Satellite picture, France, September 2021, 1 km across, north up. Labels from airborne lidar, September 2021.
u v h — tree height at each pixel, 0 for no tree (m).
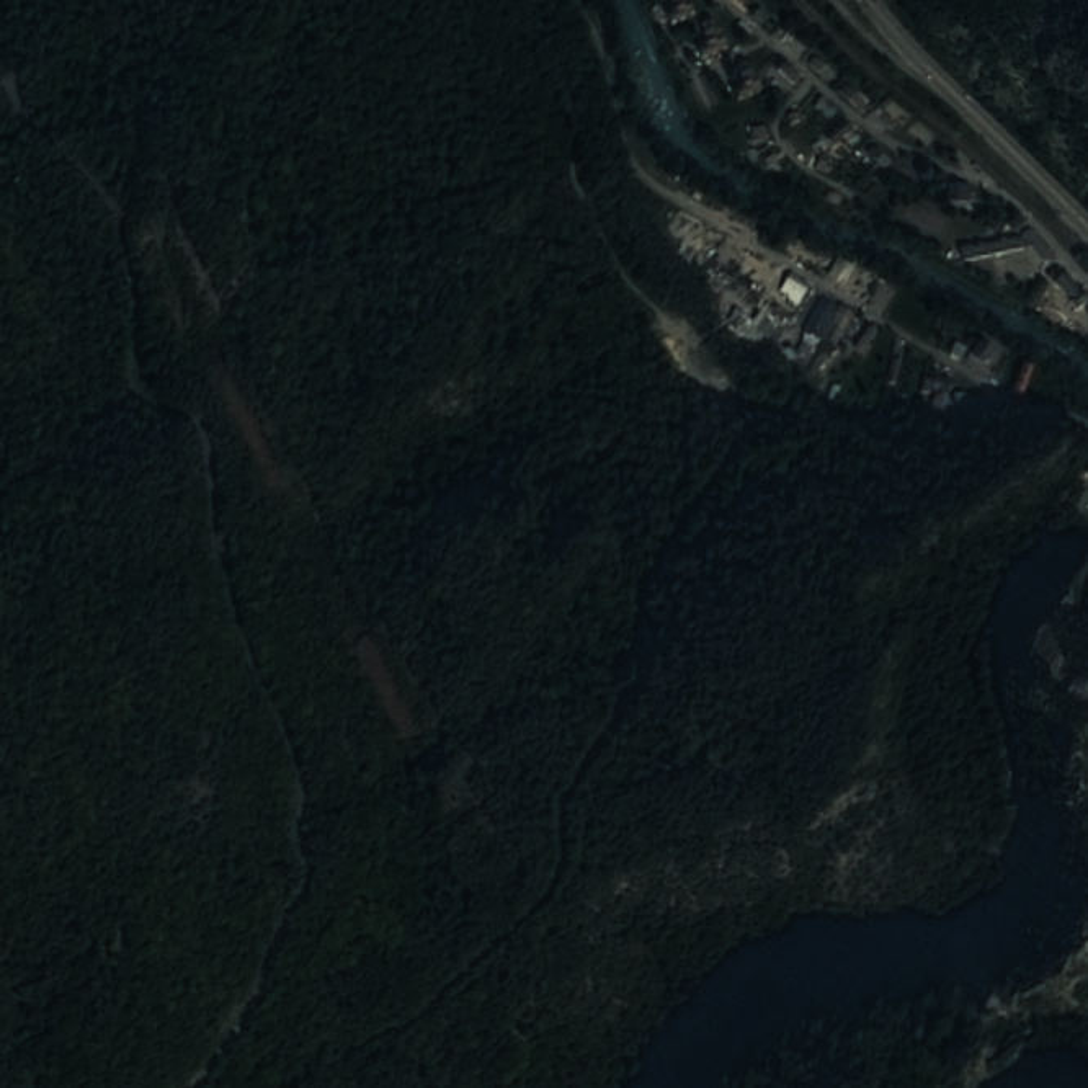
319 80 22
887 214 14
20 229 23
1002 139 0
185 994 17
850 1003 12
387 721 7
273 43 16
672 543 9
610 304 27
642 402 23
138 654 11
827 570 13
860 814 14
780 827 13
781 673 16
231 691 18
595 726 18
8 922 16
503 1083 29
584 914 15
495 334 24
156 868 19
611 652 24
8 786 17
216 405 14
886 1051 9
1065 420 16
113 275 20
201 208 13
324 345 28
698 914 16
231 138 24
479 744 27
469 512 12
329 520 24
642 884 14
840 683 10
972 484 12
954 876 16
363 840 18
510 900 16
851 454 28
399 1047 24
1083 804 6
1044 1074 24
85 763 15
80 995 18
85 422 20
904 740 9
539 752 16
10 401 22
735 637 14
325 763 18
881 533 13
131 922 15
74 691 18
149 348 29
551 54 20
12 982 22
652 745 24
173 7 30
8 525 23
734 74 20
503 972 23
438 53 27
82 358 26
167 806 10
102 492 19
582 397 22
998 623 16
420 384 18
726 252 0
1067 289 0
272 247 25
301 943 25
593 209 18
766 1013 22
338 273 15
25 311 22
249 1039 20
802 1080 16
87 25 28
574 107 16
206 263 15
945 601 27
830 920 10
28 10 27
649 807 16
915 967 17
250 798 16
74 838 24
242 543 20
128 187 13
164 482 12
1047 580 13
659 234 11
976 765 23
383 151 23
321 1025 19
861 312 7
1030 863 22
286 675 21
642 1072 32
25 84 10
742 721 10
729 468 17
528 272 15
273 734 16
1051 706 7
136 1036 21
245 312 28
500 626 19
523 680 23
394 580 30
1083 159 8
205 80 24
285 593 20
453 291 24
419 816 20
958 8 18
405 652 10
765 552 19
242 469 17
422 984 18
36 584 19
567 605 18
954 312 19
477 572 19
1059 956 11
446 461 35
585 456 23
